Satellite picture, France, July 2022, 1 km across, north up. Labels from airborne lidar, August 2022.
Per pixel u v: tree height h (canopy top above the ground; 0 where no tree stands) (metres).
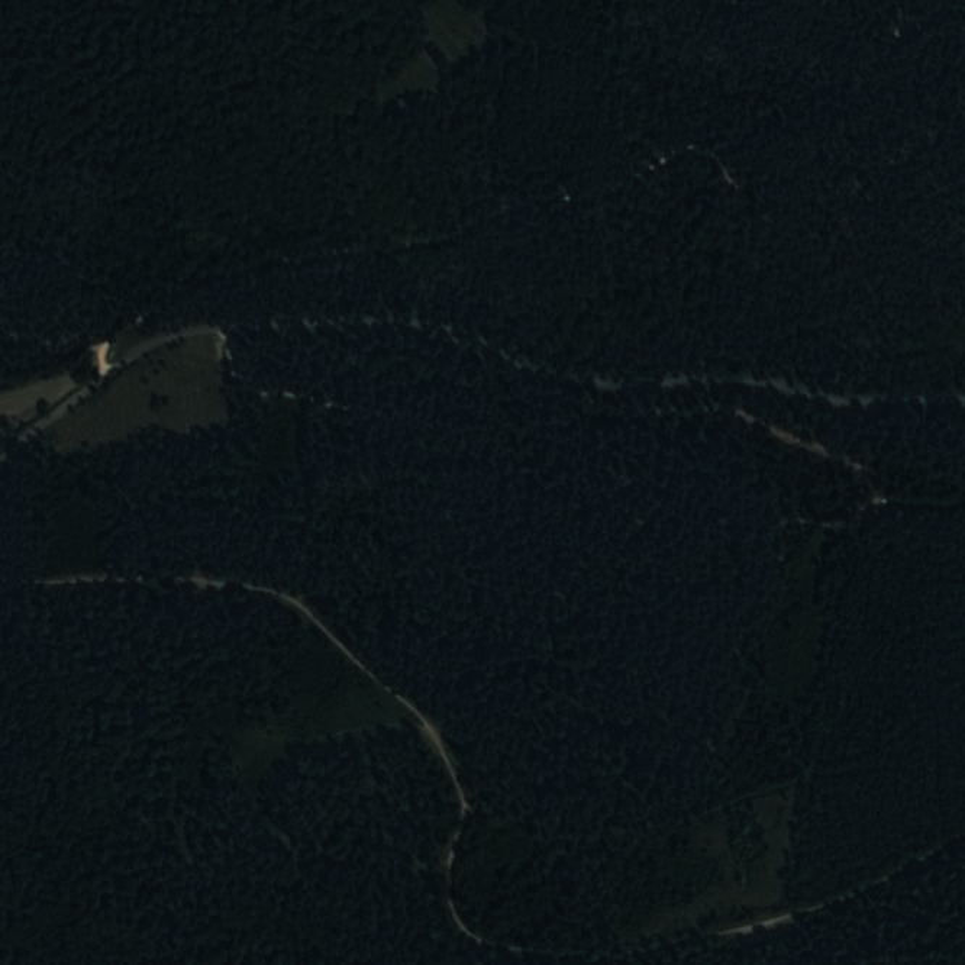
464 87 19
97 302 10
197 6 17
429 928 30
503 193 24
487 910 9
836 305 30
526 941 27
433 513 39
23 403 0
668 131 16
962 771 20
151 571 28
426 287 28
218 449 32
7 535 34
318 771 24
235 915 27
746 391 28
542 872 21
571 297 25
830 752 17
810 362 29
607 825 16
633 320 22
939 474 9
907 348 33
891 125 29
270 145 16
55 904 22
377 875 16
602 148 18
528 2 18
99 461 10
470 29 0
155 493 14
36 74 17
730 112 18
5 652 35
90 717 18
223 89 15
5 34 17
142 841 17
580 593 39
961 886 23
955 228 31
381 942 32
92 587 9
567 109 19
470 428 33
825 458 7
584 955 14
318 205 14
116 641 31
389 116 22
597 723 6
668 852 6
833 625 13
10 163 14
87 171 24
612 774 12
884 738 19
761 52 34
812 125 22
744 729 6
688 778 34
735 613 28
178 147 18
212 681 23
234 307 25
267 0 13
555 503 41
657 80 20
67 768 25
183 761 17
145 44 21
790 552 8
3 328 36
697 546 40
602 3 11
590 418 10
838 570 17
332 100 16
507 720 34
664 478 8
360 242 22
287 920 26
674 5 27
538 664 7
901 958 30
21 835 20
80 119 17
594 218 25
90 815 25
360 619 11
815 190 25
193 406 0
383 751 20
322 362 34
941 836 17
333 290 27
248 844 36
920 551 18
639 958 7
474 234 25
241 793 35
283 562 36
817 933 20
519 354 22
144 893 28
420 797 31
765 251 27
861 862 18
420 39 23
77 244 22
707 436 7
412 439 43
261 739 0
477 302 29
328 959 22
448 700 38
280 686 11
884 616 19
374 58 23
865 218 27
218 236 22
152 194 12
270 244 16
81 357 18
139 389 0
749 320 29
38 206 19
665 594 41
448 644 37
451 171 19
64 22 13
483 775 34
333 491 9
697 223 24
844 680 15
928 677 23
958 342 19
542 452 40
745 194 13
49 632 29
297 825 32
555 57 19
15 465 16
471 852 29
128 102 17
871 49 33
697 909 0
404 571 20
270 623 25
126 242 16
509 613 41
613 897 7
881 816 21
